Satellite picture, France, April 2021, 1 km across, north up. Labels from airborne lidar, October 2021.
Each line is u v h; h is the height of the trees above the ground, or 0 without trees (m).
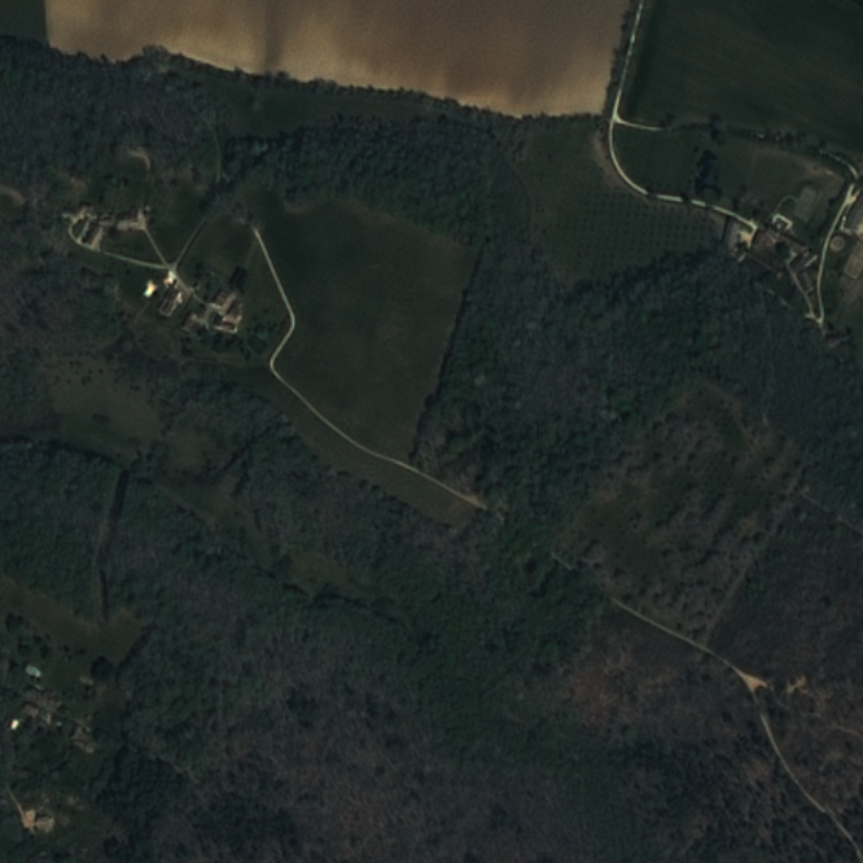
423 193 20
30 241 20
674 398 17
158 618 17
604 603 16
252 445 17
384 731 17
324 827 9
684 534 8
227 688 13
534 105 0
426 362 0
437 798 21
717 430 7
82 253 0
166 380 14
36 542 25
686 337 13
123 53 0
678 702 16
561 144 0
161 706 20
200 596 21
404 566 20
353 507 16
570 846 18
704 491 8
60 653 7
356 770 15
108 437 0
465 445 14
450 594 20
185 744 18
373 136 8
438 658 23
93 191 0
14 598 0
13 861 19
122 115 21
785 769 13
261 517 17
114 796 7
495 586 13
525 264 18
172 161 20
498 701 23
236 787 17
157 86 15
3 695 8
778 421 19
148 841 16
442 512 0
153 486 14
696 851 10
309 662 20
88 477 22
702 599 14
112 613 18
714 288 21
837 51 0
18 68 23
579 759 18
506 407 22
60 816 0
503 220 15
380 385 0
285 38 0
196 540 18
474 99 0
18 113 17
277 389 0
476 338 17
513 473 14
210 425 17
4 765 16
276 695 17
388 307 0
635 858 17
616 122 7
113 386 0
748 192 12
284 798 13
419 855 13
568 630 15
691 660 17
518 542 16
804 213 0
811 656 8
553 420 20
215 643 20
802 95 0
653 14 0
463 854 15
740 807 18
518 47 0
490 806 15
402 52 0
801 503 10
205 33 0
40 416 10
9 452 20
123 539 19
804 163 0
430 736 21
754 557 16
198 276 8
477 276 12
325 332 0
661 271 7
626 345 16
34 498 22
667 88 0
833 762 7
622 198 8
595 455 12
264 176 18
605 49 0
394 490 0
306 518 15
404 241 0
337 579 0
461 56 0
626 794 15
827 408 22
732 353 21
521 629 17
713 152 0
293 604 22
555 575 16
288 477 20
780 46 0
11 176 19
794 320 21
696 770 22
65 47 0
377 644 25
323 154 22
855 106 0
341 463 0
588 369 17
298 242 0
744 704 17
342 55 0
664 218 6
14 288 17
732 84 0
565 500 21
